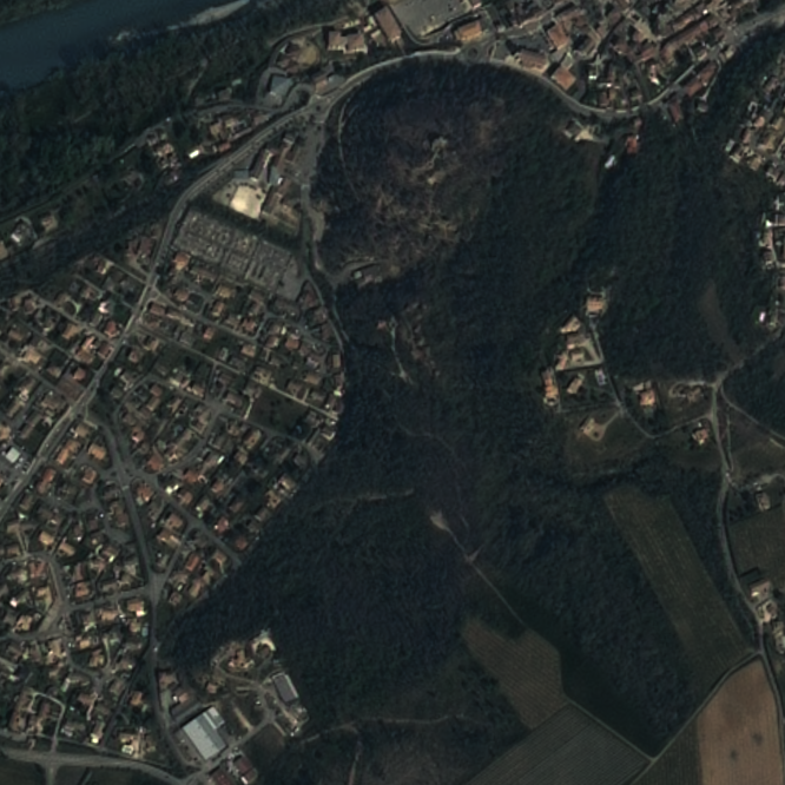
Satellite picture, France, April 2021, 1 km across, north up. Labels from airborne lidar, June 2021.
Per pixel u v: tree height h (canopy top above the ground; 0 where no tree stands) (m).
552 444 12
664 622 6
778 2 23
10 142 37
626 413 11
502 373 16
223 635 6
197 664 10
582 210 11
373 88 5
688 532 16
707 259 15
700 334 15
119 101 31
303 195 0
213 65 26
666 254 21
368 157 7
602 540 9
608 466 7
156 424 9
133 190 11
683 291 13
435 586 15
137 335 0
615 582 17
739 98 7
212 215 10
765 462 0
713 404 0
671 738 13
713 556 18
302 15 23
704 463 0
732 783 0
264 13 11
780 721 0
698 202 9
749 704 0
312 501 10
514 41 0
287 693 0
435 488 12
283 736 0
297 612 19
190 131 8
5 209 26
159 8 0
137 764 0
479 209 8
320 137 0
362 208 15
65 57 0
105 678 8
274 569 14
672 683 15
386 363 20
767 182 8
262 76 0
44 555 0
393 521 11
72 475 0
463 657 16
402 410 13
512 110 7
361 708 14
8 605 8
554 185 10
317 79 0
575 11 0
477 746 16
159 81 25
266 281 0
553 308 11
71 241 10
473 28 0
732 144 0
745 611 13
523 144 12
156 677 0
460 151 11
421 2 0
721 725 0
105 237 8
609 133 15
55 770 0
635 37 0
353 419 16
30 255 11
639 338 17
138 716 14
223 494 0
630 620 19
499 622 13
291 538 13
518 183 14
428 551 15
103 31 0
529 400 14
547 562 15
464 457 12
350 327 9
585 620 18
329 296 11
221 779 0
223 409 0
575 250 10
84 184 0
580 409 8
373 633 16
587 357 0
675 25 0
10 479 0
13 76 0
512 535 9
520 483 11
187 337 0
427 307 12
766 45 10
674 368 13
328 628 17
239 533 13
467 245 11
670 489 14
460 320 12
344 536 11
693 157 16
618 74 11
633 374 15
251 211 0
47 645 6
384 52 13
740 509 8
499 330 16
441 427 15
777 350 10
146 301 0
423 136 0
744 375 6
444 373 10
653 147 14
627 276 14
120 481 0
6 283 13
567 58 0
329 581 14
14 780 0
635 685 17
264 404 0
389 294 14
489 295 16
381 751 18
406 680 15
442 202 9
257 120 0
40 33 0
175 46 32
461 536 8
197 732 0
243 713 0
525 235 12
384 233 8
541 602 9
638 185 12
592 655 14
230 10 0
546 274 15
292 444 9
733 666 0
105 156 26
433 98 10
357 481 10
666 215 17
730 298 14
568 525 13
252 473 9
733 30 0
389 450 11
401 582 20
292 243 12
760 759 0
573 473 10
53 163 31
